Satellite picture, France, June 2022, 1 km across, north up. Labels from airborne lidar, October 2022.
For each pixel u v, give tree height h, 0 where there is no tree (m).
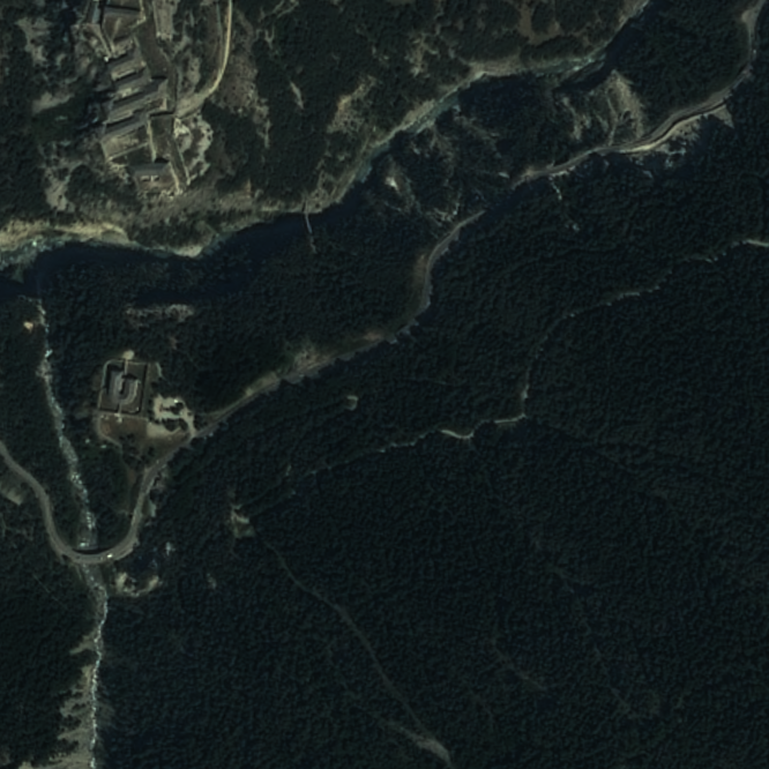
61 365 8
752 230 22
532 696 9
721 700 25
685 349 18
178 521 18
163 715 15
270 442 27
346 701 20
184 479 20
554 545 18
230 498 15
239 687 24
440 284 21
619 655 16
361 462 9
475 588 26
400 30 13
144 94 0
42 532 13
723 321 23
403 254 18
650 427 20
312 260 22
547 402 19
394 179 0
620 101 0
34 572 22
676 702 17
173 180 0
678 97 11
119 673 8
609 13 13
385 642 25
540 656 18
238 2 16
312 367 0
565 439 23
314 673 9
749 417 24
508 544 24
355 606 25
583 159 0
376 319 18
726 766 9
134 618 10
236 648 19
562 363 19
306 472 9
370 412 21
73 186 6
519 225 15
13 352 14
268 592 17
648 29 7
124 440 11
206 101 6
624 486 23
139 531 0
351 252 9
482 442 16
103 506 15
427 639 23
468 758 11
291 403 24
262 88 14
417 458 22
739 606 25
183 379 20
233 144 12
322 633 15
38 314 8
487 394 21
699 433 21
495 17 7
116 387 0
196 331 24
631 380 14
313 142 12
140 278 11
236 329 26
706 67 17
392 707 21
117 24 0
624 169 9
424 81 14
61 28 9
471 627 22
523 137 13
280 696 17
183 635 7
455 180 9
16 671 26
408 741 11
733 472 24
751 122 19
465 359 24
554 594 11
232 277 33
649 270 21
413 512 25
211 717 19
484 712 20
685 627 17
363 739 18
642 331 27
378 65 15
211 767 24
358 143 11
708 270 22
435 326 25
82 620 18
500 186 12
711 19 20
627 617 18
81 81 7
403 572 26
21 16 13
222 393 23
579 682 18
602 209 22
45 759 20
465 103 16
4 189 11
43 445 11
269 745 21
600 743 26
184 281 15
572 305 18
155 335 19
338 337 17
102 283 14
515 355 12
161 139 0
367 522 23
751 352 23
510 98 16
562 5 14
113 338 19
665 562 21
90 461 5
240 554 20
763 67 16
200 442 19
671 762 21
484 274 18
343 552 26
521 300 13
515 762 28
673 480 21
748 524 23
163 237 7
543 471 21
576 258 23
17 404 15
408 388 17
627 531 25
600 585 23
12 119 19
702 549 12
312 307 22
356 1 18
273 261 12
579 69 0
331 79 17
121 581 0
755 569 20
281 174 15
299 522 22
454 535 17
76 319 14
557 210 19
